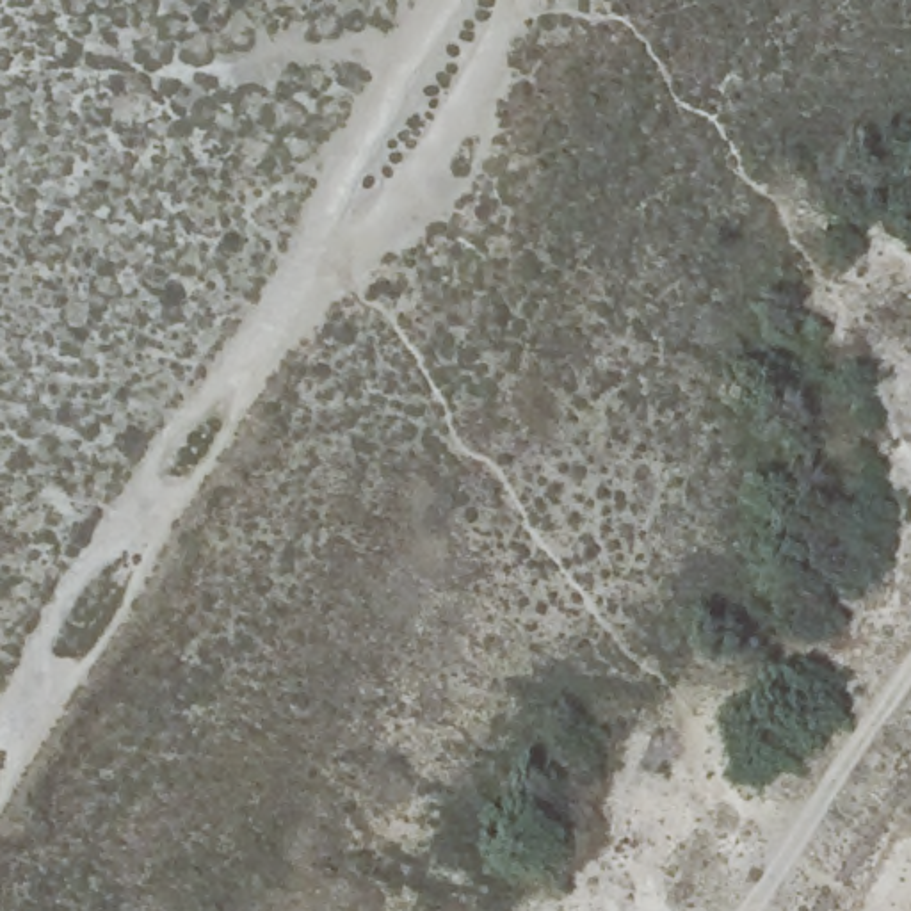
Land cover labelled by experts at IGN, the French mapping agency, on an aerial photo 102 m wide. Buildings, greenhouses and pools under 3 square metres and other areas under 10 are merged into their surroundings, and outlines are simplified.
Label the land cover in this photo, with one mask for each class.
<instances>
[{"label":"herbaceous vegetation","instance_id":"1","mask_svg":"<svg viewBox=\"0 0 911 911\"><path fill-rule=\"evenodd\" d=\"M416 0H0V694L21 665V651L36 633L46 605L53 601L64 573L89 548L96 527L121 498L125 484L135 477L149 441L164 431L174 409H181V402H189L199 391L228 342L242 331V320L256 310L267 281L278 274V263L285 260L299 231L302 210L317 192V178L302 174L299 164L317 160L320 146L349 125L356 96L370 82V71L359 64L363 39L356 32H391L399 14L413 11ZM512 89L505 100H498V135H466L459 142V153L452 157V174L463 178L470 189L452 203V217L427 224L420 242L406 253H384L374 274L377 281H370V288L363 292L335 299L320 331L313 338H299L285 352L281 367L267 377L260 399L238 420L235 441L221 456L217 470L203 480V488L181 509V516L171 520V537L160 544L157 559L121 552L100 569L96 580L82 587L60 626L53 655L75 658L89 673V680L71 690L64 715L53 722L32 762L21 769V779L7 808L0 811V911H527L523 900L530 897L523 893L520 879L495 875L477 851V815L484 804H502L498 786L509 776L512 754H530V747L544 744L552 758H559L569 769L566 779L573 847H562V854L580 868L609 847V794L612 776L623 769L630 733H648V751L641 762L644 772L673 776V765L683 758V730L690 719L701 715V701L715 697L722 705L747 690V680L730 676V662L722 655H690L687 633L676 623V609L683 605H708L712 594H722L726 601H744L747 591L740 555H722L726 541L715 530V498L726 495L733 459H719L712 466L705 459L712 423L701 416V406L705 395L715 391L708 384V374L719 370V356L744 359L740 335L754 338L762 349L779 342V331L769 320L772 292L811 299L815 278L843 274L851 263L826 238L822 206L851 196H875V160L890 157L879 128L893 121V114L911 117V0H544L541 18H527V36L512 39ZM786 655H826L833 662L836 651L847 648V633L840 641H779Z\"/></svg>","mask_w":911,"mask_h":911},{"label":"bare soil","instance_id":"2","mask_svg":"<svg viewBox=\"0 0 911 911\"><path fill-rule=\"evenodd\" d=\"M544 0H416L413 11L399 14L391 32H356L363 39L359 64L370 71V82L356 96L349 125L320 146L317 160L299 164L302 174L317 178V192L302 210L299 231L285 260L278 263V274L267 281L256 310L242 320V331L228 342L199 391L189 402H181V409H174L164 431L149 441L135 477L125 484L121 498L96 527L89 548L64 573L53 601L46 605L36 633L21 651V665L0 694V811L7 808L21 779V769L32 762L53 722L64 715L71 690L89 680V673L75 658L53 655L60 626L82 587L96 580L100 569L121 552L157 559L160 544L171 537V520L181 516V509L203 488V480L217 470L221 456L235 441L238 420L260 399L267 377L281 367L285 352L299 338H313L320 331L335 299L363 292L370 288V281H377L374 274L384 253H406L420 242L427 224L452 217V203L470 189L463 178L452 174V157L459 153V142L466 135H498V100H505L512 89V39L527 36V18H541ZM445 64H456L459 75L452 89L441 96L438 117L420 132L416 149L399 164V171L384 178L381 164L388 157V135L399 132L409 114H420L427 107L423 85H431ZM815 310L833 317V342H847L851 327H861L879 363L893 367V381H879V402L886 406L890 427L879 441V452L890 456V484L911 491V249L890 238L879 224H872L868 253L851 263L843 274L815 278L811 299ZM911 655V523L900 527L897 562L893 573L883 576V591H872L854 601L847 633V648L836 651L833 662L851 669L847 694L854 701L875 697L897 673V665ZM769 911H911V687L900 708L883 726V733L861 751V762L851 769L840 797L833 801L818 833L808 840L804 858L797 861L790 879L776 890ZM722 705L715 697L701 701V715L690 719L683 730V758L673 765V776L644 772L641 762L648 751V733H630L623 769L612 776L609 794V847L580 868L576 890L569 897H530L523 900L527 911H733L754 883H762V868L744 872L726 865V854L719 847L726 833L769 843L758 822L772 818L776 801H808L818 776H826L829 769V747L808 762V776L783 772L769 786H733L726 779V747L719 733Z\"/></svg>","mask_w":911,"mask_h":911},{"label":"brushwood","instance_id":"3","mask_svg":"<svg viewBox=\"0 0 911 911\"><path fill-rule=\"evenodd\" d=\"M459 75L456 64H445L431 85H423L427 107L420 114H409L399 132L388 135V157L381 164L384 178L399 171V164L416 149L420 132L438 117L441 96L452 89ZM890 157L875 160V196H851L822 206L826 238L851 263L868 253L872 224H879L890 238L911 249V117L893 114V121L879 128ZM769 320L779 331V342L762 349L754 338L740 335L744 359L719 356V370L708 374V384L715 391L705 395L701 406V416L712 423L705 459L712 466L719 459H733L726 495L715 498V530L726 541L722 555H740L747 591L744 601H726L722 594H712L708 605H683L676 609V623L687 633L690 655H722L730 662V676L747 680V690L722 705L719 733L726 747V779L733 786H769L783 772L808 776V762L829 747L836 733H851L858 726L854 701L847 694L851 669L833 662L826 655H786L779 641H840L847 633L854 601L872 591H883V576L893 573L897 562L900 527L911 523V491L890 484V456L879 452V441L890 427L886 406L879 402V381H893V367L879 363L861 327H851L847 342H833V317L815 310L811 299L772 292ZM569 769L559 758H552L544 744L530 747V754H512L509 776L498 786L502 804H484L477 815V851L495 875L520 879L523 893L530 897H569L576 890L580 868L562 854V847H573L566 779Z\"/></svg>","mask_w":911,"mask_h":911},{"label":"pervious surface","instance_id":"4","mask_svg":"<svg viewBox=\"0 0 911 911\"><path fill-rule=\"evenodd\" d=\"M911 687V655L897 665V673L875 697L854 701L858 726L851 733H836L829 747V769L826 776H818L808 801H776L772 818L758 822L769 843L726 833L719 847L726 854V865L744 872L762 868V883H754L733 911H769L776 890L790 879L797 861L804 858L808 840L818 833L833 801L840 797L851 769L861 762V751L883 733V726L900 708Z\"/></svg>","mask_w":911,"mask_h":911}]
</instances>
